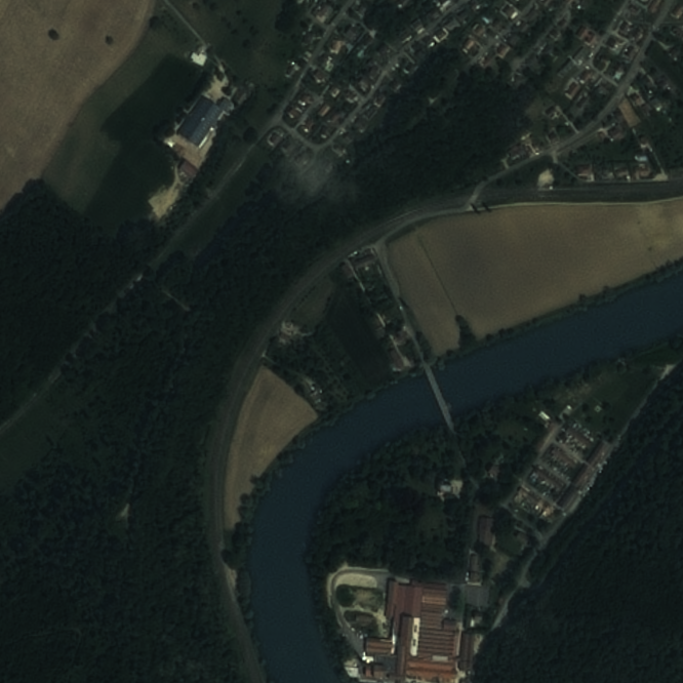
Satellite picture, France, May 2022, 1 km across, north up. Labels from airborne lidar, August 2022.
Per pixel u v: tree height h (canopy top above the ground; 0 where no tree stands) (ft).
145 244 85
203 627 84
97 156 0
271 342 27
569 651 84
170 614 110
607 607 52
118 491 67
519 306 0
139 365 32
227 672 66
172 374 56
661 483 90
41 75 0
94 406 23
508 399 48
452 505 79
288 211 57
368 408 0
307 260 56
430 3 34
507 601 0
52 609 29
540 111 0
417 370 44
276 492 0
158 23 40
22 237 81
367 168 68
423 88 59
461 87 32
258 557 0
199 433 47
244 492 0
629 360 53
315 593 50
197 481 57
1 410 57
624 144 26
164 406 60
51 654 26
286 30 69
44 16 0
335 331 0
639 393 0
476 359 0
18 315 69
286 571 0
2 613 34
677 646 68
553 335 0
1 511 28
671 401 64
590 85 0
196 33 0
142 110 0
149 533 65
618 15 0
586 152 23
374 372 0
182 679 107
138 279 0
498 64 29
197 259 0
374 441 0
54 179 0
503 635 58
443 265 0
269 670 0
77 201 0
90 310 64
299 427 0
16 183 0
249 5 0
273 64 0
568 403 0
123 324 53
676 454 87
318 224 43
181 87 0
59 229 62
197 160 0
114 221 0
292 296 0
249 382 0
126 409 26
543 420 0
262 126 0
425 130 51
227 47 0
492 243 0
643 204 0
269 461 0
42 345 64
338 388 22
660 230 0
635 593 43
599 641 76
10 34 0
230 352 69
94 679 27
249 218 83
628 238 0
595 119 43
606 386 0
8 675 23
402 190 85
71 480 98
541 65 26
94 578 81
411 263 0
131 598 48
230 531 0
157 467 40
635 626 66
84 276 90
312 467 0
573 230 0
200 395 70
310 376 45
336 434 0
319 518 74
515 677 78
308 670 0
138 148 0
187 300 43
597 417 0
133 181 0
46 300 71
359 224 75
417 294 0
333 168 20
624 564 44
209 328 50
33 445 0
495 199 0
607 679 59
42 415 0
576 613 61
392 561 59
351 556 42
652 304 0
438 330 0
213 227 0
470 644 0
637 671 58
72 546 66
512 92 62
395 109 67
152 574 80
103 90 0
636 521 84
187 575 88
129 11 0
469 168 56
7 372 73
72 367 67
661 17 0
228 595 0
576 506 0
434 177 60
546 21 23
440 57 44
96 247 80
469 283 0
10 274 77
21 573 33
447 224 0
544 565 43
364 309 30
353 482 104
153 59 0
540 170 0
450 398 0
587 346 0
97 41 0
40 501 100
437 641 0
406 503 94
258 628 0
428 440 71
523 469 68
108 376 83
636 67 0
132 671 59
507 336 40
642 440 53
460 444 58
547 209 0
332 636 60
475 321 0
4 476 0
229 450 0
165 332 76
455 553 36
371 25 49
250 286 72
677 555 60
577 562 52
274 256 59
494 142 62
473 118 63
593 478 0
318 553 80
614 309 0
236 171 0
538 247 0
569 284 0
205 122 0
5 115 0
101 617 69
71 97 0
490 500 57
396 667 0
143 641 47
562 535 31
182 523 93
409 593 0
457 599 67
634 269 0
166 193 0
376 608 0
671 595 53
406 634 0
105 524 52
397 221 0
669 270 52
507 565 0
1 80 0
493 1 19
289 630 0
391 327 33
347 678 49
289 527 0
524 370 0
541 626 90
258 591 0
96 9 0
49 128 0
